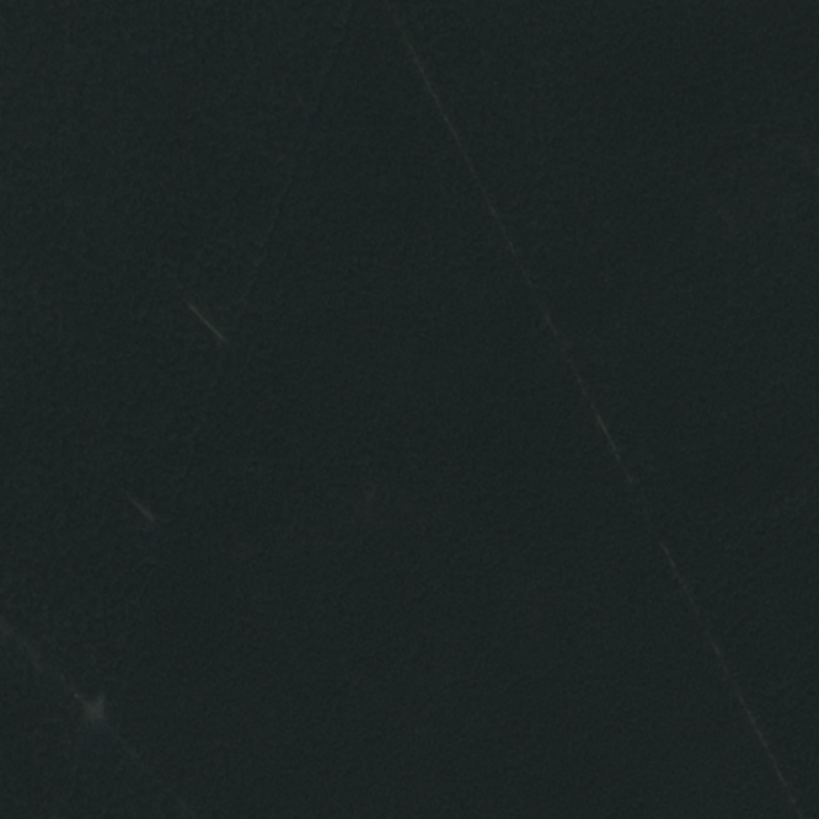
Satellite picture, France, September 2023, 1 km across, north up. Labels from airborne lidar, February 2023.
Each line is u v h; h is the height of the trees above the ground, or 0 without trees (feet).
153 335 83
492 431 83
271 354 72
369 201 65
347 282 69
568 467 83
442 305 77
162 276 76
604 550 73
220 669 72
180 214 95
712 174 99
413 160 84
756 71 88
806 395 94
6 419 92
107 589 94
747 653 80
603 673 66
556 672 68
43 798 105
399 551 69
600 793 76
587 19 97
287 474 67
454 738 73
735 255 96
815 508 79
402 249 73
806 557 80
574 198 100
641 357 97
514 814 71
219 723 67
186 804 77
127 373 84
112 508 93
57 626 95
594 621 65
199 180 89
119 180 100
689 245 94
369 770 60
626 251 93
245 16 106
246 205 90
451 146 78
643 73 91
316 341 62
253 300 68
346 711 70
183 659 63
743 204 79
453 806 76
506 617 72
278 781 72
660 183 99
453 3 91
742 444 92
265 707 78
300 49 107
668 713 69
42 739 82
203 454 69
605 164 99
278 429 64
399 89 66
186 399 66
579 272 100
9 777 93
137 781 91
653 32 95
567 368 72
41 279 96
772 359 86
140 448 84
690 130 102
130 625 80
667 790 75
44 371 82
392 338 72
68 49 100
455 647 76
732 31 93
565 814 75
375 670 68
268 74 99
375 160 74
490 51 94
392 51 74
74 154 99
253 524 76
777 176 82
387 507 69
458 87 67
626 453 72
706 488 92
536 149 93
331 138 64
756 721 69
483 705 68
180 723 65
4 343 89
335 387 75
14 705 94
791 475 94
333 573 83
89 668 89
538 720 70
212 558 73
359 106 67
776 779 68
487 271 83
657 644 73
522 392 80
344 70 65
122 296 98
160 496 85
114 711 82
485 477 77
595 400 74
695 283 101
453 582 73
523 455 79
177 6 109
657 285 93
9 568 93
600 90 96
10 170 94
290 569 82
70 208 90
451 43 92
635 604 71
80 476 93
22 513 85
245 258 82
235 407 70
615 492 73
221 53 99
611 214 84
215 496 66
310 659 77
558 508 78
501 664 82
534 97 94
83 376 93
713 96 84
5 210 99
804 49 74
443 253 76
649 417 96
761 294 103
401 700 72
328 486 71
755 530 92
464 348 81
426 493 71
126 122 101
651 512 83
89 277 99
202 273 75
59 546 88
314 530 71
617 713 71
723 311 93
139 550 94
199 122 94
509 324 81
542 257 87
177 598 75
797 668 77
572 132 79
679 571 80
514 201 85
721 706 75
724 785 78
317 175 72
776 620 82
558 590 77
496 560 73
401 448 81
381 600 72
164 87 104
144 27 95
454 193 68
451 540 75
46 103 104
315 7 99
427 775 78
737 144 89
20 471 95
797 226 80
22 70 104
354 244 69
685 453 85
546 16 93
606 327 92
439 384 75
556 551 73
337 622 72
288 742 79
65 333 90
